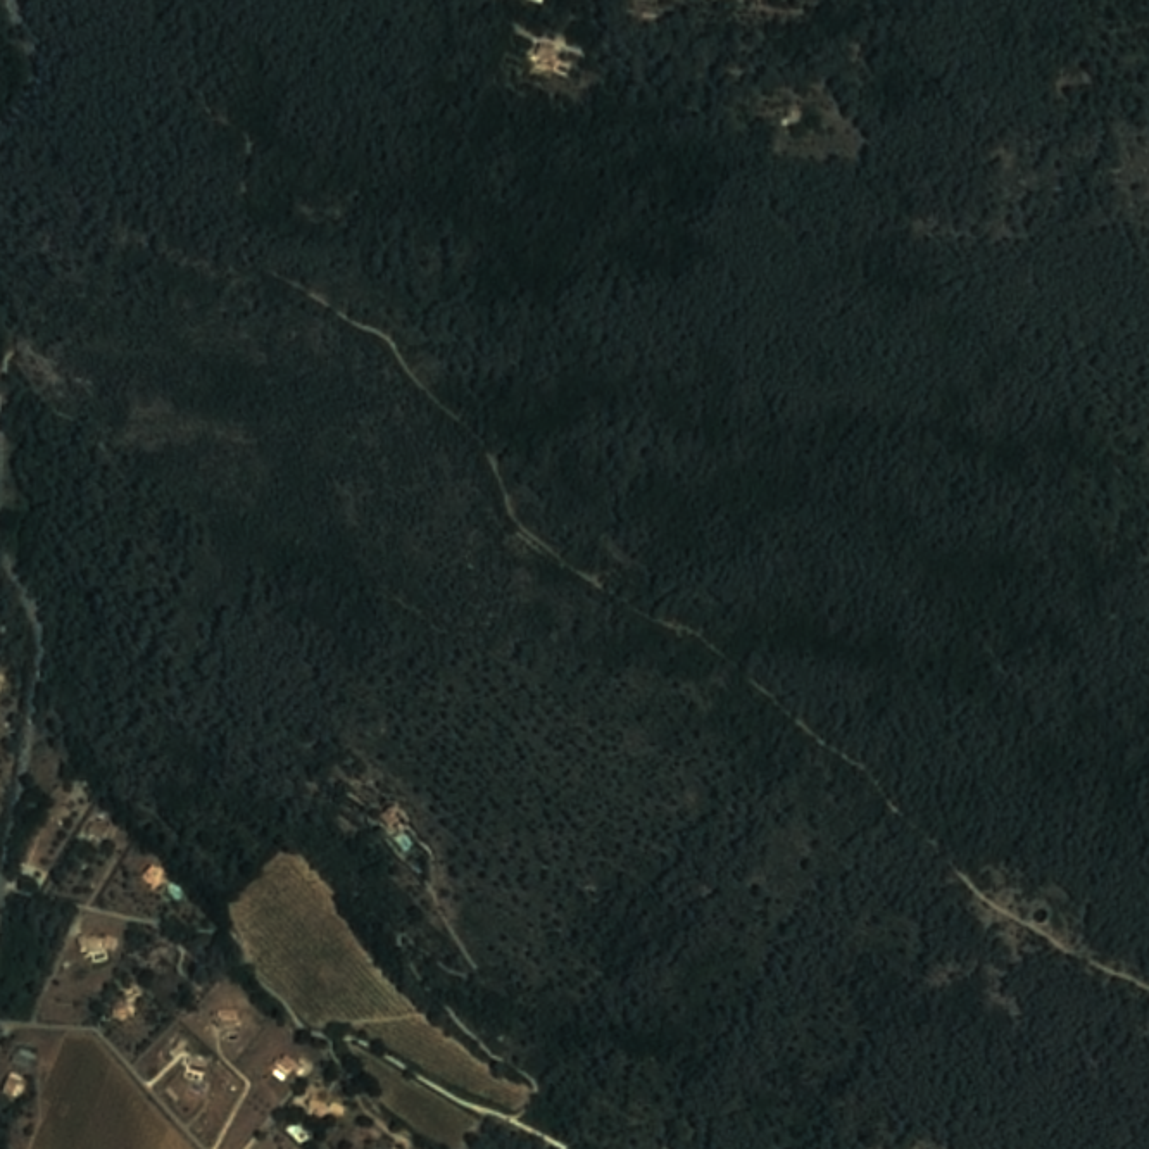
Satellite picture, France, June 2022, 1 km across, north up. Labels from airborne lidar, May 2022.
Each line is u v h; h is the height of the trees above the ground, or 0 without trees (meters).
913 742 18
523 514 7
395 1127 11
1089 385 18
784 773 6
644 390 13
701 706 15
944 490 22
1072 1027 15
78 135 25
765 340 16
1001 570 9
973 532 15
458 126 11
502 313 19
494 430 9
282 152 8
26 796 11
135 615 21
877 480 18
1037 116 21
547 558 5
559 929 16
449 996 15
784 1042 20
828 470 16
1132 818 14
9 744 14
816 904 12
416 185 7
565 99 10
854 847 16
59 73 21
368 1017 0
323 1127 14
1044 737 18
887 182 19
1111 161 17
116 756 21
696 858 18
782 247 19
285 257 17
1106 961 5
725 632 12
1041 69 20
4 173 19
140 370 8
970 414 15
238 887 20
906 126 19
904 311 17
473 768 14
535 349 15
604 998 19
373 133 13
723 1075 18
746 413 19
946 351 16
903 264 15
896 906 17
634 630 13
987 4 22
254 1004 8
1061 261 18
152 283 15
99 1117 0
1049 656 13
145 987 8
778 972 19
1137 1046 16
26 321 17
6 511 10
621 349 18
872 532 17
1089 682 19
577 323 20
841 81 20
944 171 18
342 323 6
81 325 9
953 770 17
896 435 21
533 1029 9
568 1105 13
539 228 9
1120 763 10
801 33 15
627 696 14
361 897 7
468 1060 0
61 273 13
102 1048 0
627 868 7
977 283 18
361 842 13
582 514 7
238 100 9
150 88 19
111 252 15
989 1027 12
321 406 7
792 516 17
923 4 16
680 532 12
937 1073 17
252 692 19
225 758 19
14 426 22
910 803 11
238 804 7
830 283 20
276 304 14
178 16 15
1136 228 16
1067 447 12
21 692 9
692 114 10
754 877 18
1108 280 19
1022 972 14
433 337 14
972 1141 19
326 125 18
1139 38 6
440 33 20
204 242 14
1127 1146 13
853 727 19
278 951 0
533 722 16
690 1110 22
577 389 9
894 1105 17
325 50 20
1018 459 11
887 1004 7
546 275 12
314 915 0
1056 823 20
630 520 7
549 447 17
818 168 17
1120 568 11
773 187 18
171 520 10
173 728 6
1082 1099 16
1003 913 0
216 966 15
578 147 18
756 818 16
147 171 19
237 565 6
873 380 19
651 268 11
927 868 15
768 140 16
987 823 18
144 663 10
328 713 21
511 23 10
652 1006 21
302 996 0
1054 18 25
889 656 13
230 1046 0
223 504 6
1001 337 20
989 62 22
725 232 21
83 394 6
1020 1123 18
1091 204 14
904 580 19
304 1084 13
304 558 8
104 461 19
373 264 17
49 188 19
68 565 20
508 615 7
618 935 11
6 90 15
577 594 6
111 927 0
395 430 6
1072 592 21
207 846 12
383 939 8
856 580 18
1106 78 20
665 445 19
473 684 15
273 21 19
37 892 10
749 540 10
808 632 7
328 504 8
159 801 16
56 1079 0
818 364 17
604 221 11
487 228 6
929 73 20
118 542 20
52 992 0
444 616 6
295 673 20
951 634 18
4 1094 6
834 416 19
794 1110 20
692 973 7
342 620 10
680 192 9
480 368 17
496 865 18
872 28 20
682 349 20
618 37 23
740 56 16
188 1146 0
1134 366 19
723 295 23
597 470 15
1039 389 20
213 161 18
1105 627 22
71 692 17
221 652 15
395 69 18
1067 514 16
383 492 8
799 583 15
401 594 7
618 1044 13
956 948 18
